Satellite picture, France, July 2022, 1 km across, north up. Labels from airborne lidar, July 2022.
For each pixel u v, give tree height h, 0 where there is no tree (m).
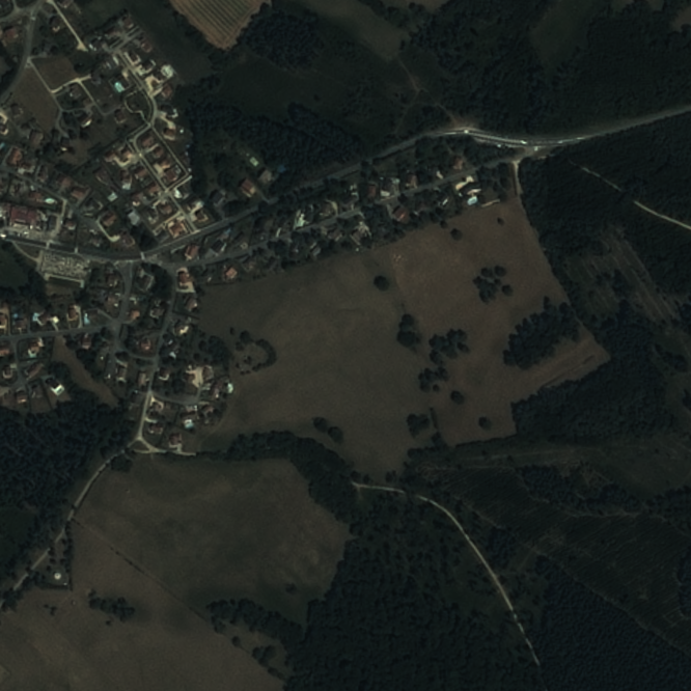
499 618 0
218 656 0
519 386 0
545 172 17
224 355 9
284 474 0
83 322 0
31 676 0
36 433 30
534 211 17
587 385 18
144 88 0
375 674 22
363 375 0
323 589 0
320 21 25
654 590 6
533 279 0
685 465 0
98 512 0
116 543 0
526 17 21
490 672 26
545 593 0
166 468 0
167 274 11
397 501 24
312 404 0
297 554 0
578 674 19
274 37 23
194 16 0
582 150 12
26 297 12
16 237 0
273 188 10
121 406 8
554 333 23
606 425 26
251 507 0
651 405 24
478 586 22
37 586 17
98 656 0
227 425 0
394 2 0
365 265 0
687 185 9
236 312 0
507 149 15
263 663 12
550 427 23
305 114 35
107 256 0
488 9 22
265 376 0
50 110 0
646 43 8
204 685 0
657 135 11
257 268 0
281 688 0
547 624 23
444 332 0
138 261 0
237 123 25
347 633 20
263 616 20
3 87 8
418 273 0
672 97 16
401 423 0
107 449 14
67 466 26
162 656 0
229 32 0
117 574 0
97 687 0
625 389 25
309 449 19
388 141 10
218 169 8
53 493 15
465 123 0
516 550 25
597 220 18
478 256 0
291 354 0
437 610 26
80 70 14
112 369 0
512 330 0
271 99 0
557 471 19
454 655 24
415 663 21
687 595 22
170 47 0
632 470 0
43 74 0
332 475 13
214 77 11
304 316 0
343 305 0
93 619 0
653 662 24
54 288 0
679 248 7
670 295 21
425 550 26
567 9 0
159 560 0
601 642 24
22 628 0
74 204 0
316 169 24
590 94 6
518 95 15
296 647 21
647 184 23
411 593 27
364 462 0
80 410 18
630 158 12
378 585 26
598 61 7
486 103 14
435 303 0
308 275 0
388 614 21
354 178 0
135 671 0
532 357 25
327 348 0
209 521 0
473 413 0
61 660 0
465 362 0
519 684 26
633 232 18
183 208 0
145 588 0
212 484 0
